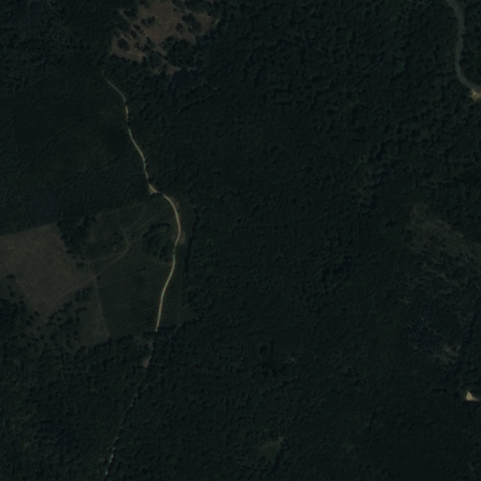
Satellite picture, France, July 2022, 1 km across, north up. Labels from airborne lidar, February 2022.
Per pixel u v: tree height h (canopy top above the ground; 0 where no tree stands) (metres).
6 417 20
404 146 30
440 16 25
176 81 27
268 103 29
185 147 22
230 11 27
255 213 27
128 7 31
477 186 12
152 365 14
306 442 24
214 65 28
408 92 20
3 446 19
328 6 22
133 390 22
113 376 20
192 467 23
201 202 22
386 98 26
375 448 31
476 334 21
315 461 23
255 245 18
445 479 30
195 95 30
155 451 23
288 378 24
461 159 28
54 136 8
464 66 28
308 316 23
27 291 0
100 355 20
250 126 21
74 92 10
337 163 26
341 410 26
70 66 11
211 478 22
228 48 25
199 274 24
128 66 27
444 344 13
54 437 14
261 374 29
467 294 12
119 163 14
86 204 14
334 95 25
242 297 23
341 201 22
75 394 21
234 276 23
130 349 23
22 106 10
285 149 22
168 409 19
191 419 23
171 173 25
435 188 25
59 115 10
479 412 29
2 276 0
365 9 19
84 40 25
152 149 12
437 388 10
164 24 0
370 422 26
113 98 7
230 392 24
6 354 19
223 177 26
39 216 12
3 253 0
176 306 0
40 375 18
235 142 22
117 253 0
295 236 23
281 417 25
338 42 23
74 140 8
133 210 0
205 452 21
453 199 25
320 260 33
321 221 21
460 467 31
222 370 24
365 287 21
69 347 16
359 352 29
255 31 26
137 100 17
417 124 27
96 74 11
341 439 26
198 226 15
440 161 10
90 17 26
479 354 23
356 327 27
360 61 27
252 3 26
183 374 20
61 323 17
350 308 26
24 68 21
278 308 24
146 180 14
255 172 23
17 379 15
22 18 27
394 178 28
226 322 24
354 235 25
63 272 0
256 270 24
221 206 23
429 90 30
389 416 25
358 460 26
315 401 22
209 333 28
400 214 24
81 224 22
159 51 0
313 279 25
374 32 25
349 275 26
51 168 8
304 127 25
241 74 30
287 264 23
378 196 28
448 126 22
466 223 26
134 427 18
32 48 11
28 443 19
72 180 8
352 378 29
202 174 27
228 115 26
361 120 32
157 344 18
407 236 13
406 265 11
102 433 15
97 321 0
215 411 21
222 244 24
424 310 21
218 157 20
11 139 7
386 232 27
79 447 23
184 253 0
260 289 25
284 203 21
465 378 21
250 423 23
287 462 17
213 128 22
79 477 19
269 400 22
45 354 17
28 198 11
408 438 29
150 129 9
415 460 31
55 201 13
